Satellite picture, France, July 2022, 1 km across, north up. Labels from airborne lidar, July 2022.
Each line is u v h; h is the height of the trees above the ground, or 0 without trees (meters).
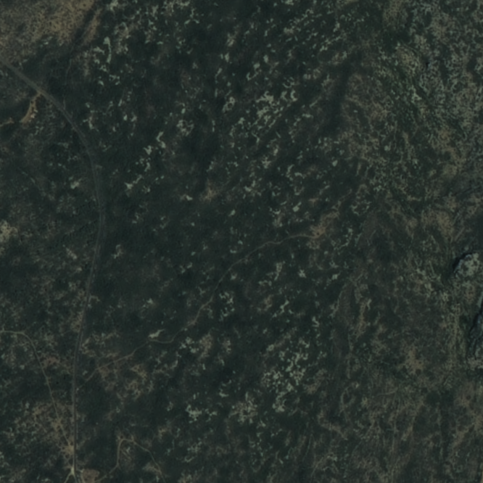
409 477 0
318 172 0
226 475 0
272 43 0
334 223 0
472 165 0
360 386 0
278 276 0
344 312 0
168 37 0
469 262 0
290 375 0
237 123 0
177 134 0
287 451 0
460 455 0
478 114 0
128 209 8
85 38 0
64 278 0
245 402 0
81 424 0
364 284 0
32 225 0
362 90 0
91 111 0
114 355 0
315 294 0
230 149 0
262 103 0
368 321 0
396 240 0
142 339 0
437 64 0
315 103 0
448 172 0
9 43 0
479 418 0
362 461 0
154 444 0
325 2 0
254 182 0
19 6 0
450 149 0
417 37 0
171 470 0
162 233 0
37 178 0
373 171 0
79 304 0
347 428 0
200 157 7
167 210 0
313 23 0
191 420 0
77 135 7
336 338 0
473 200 0
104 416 0
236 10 0
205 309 0
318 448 0
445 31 0
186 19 0
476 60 0
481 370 6
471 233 0
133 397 0
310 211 0
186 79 0
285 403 6
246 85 0
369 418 0
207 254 0
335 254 0
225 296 0
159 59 0
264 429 0
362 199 0
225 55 0
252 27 0
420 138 0
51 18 0
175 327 0
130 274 0
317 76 0
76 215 6
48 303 0
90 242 8
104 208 6
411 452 0
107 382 0
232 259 0
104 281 6
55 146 7
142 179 6
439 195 6
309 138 0
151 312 0
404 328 0
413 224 0
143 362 0
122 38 0
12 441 0
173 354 0
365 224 0
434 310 0
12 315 0
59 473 0
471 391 0
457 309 9
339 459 0
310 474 0
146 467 0
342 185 0
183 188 0
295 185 0
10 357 0
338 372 0
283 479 0
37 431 0
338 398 0
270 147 0
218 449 0
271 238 0
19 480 0
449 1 0
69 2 0
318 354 0
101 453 0
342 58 0
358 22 0
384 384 0
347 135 0
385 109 0
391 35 6
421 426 0
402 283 0
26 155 0
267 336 0
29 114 0
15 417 0
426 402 0
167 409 0
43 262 0
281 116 0
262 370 0
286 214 0
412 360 0
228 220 0
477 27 0
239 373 0
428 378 0
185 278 5
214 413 0
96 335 0
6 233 0
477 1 0
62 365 0
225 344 0
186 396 0
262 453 0
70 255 0
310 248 0
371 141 0
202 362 0
